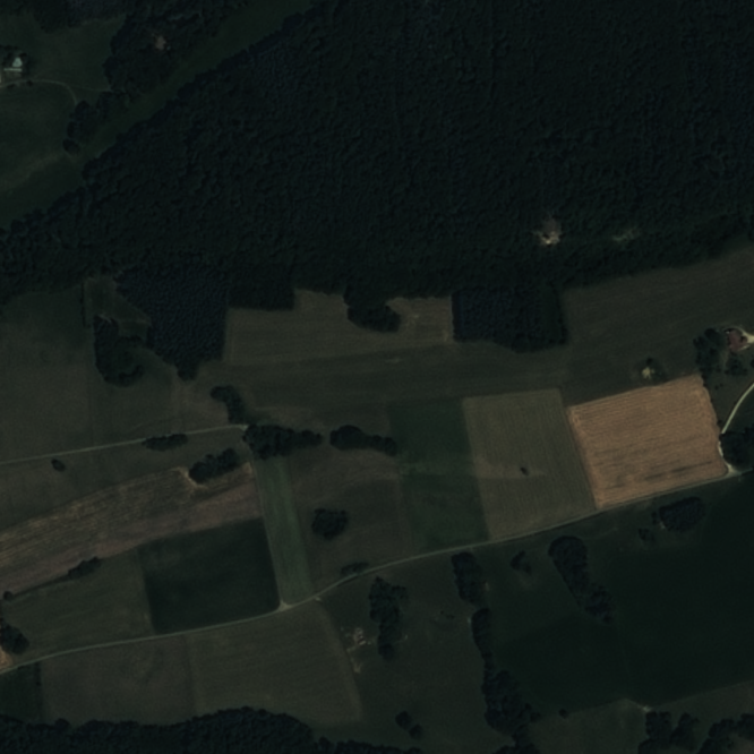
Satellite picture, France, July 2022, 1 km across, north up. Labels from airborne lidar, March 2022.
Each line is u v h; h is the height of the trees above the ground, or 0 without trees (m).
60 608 0
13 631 17
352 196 19
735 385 0
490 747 0
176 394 0
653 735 17
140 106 0
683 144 26
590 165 9
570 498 0
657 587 0
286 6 0
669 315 0
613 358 0
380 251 14
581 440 0
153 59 25
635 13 29
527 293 15
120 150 14
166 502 0
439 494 0
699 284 0
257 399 0
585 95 31
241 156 22
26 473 0
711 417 0
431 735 0
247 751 21
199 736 20
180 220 22
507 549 0
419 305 0
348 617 0
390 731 0
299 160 16
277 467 0
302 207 16
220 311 25
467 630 0
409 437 0
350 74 27
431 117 28
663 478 0
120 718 0
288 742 30
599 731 0
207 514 0
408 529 0
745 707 0
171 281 23
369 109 24
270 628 0
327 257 19
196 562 0
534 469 0
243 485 0
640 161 24
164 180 29
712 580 0
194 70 0
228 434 0
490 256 19
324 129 23
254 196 24
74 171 0
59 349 0
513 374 0
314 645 0
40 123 0
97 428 0
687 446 0
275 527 0
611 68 29
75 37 0
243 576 0
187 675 0
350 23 28
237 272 15
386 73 25
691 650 0
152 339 21
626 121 26
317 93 24
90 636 0
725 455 6
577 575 30
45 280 21
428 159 25
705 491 0
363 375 0
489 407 0
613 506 0
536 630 0
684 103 24
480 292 29
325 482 0
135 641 0
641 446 0
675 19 29
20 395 0
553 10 29
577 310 0
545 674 0
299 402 0
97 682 0
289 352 0
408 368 0
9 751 18
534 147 27
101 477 0
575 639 0
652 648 0
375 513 0
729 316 0
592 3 29
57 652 0
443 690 0
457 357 0
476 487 0
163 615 0
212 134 25
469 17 26
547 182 16
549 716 0
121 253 24
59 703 0
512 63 29
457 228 18
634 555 0
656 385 0
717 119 26
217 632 0
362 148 21
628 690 0
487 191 26
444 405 0
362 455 0
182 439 13
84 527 0
